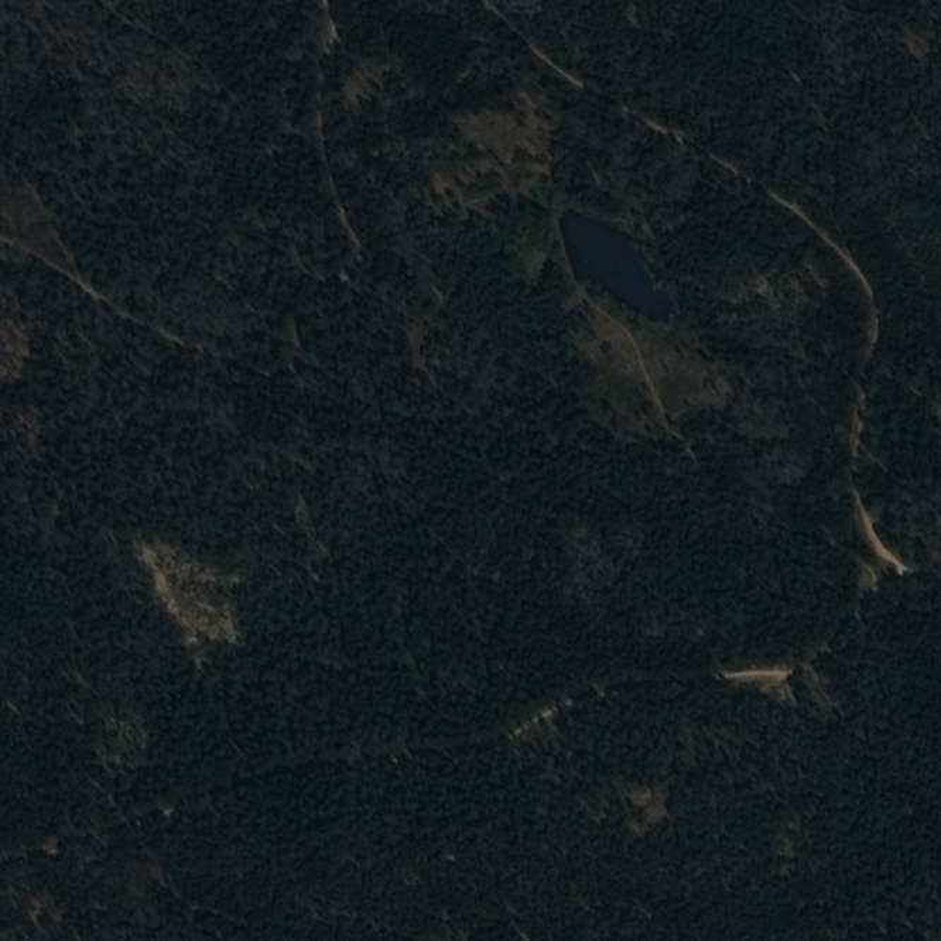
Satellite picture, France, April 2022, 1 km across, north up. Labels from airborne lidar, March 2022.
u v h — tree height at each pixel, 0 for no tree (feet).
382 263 78
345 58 57
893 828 87
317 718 97
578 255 0
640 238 47
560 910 82
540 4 86
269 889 47
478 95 45
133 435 53
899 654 91
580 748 99
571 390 31
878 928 49
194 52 77
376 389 92
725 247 49
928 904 31
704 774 0
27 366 93
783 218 63
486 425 66
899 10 78
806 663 68
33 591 84
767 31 64
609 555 78
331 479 73
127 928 77
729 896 56
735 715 77
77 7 85
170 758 74
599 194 73
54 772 81
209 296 47
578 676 87
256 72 93
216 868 64
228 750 75
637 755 90
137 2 78
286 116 89
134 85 122
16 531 23
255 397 46
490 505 60
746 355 54
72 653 90
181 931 95
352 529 76
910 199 46
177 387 31
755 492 38
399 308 81
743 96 52
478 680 60
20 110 48
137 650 85
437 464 72
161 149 31
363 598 80
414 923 55
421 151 19
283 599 81
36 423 110
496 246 84
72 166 77
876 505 44
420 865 81
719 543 80
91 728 69
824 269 20
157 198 62
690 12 71
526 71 61
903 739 90
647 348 0
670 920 62
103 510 95
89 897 65
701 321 82
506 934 74
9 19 102
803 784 69
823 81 59
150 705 49
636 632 63
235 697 100
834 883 60
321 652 79
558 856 81
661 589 77
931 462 53
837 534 32
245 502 106
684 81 32
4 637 77
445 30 45
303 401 44
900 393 49
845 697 82
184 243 64
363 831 85
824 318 36
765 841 58
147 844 65
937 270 22
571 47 89
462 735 87
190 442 20
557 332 87
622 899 70
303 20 48
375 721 102
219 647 34
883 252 34
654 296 0
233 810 85
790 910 63
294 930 51
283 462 96
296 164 68
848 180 76
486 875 75
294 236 111
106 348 92
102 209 74
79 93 87
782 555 99
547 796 63
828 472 26
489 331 91
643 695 76
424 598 71
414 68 42
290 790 86
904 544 87
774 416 64
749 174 46
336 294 64
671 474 90
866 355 40
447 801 77
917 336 34
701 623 54
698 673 71
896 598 76
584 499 76
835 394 25
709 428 43
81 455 61
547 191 25
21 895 73
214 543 71
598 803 81
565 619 80
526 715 95
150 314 74
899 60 70
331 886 70
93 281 86
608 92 64
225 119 88
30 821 61
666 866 29
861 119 64
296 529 84
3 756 65
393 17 47
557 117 76
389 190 57
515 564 95
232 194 79
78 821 74
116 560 68
